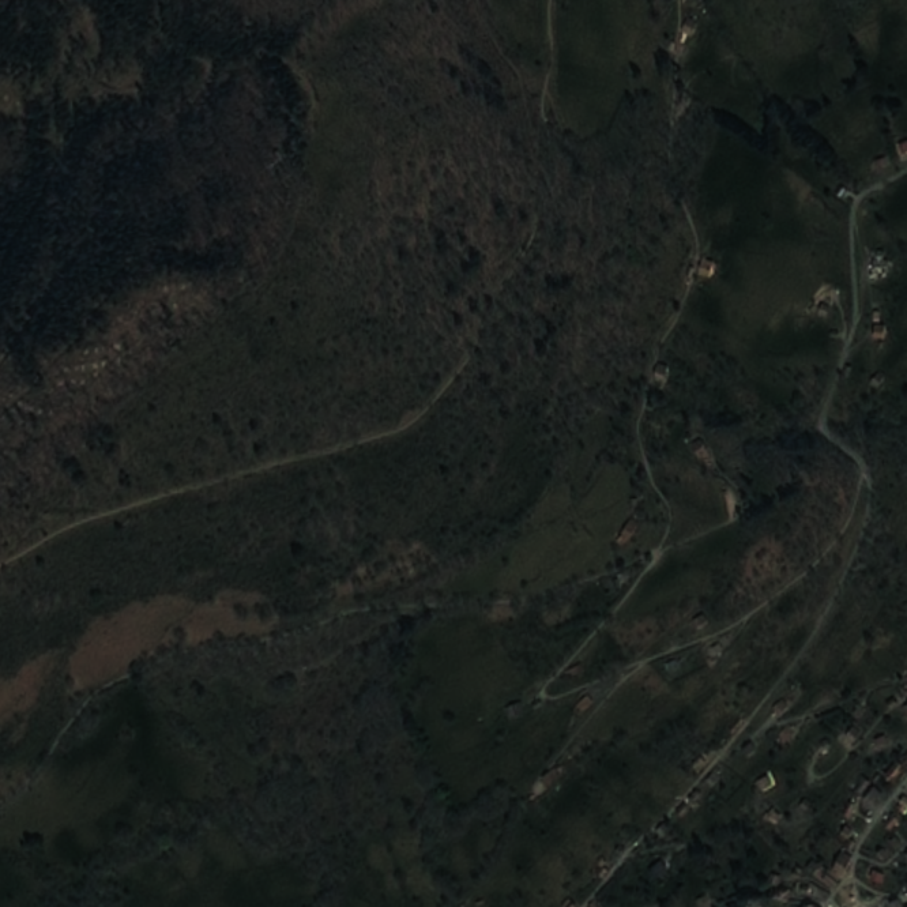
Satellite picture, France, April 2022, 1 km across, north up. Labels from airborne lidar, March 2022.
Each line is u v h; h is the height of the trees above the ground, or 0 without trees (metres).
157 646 0
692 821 0
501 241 9
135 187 24
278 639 16
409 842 0
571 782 0
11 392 0
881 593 12
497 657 0
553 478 16
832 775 0
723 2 0
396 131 0
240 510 13
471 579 0
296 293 6
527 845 0
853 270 0
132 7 21
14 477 22
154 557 0
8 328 22
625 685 0
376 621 9
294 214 17
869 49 0
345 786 15
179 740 7
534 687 0
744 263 0
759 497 15
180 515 0
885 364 0
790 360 0
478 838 0
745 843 17
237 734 0
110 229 22
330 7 19
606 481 0
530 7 0
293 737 14
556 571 0
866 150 0
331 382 12
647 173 17
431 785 24
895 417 14
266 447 16
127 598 0
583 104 0
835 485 8
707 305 0
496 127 10
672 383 8
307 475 10
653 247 16
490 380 18
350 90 0
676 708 0
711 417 18
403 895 0
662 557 0
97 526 0
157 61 21
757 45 0
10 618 0
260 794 14
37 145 20
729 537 0
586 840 0
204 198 17
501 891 0
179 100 18
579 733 0
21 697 0
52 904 14
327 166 0
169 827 9
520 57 9
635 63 0
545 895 8
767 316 0
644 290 11
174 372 0
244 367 0
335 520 18
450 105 11
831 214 0
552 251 10
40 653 0
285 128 22
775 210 0
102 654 0
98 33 23
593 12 0
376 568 10
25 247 20
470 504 0
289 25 21
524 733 0
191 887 0
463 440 13
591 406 14
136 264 23
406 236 11
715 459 0
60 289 29
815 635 0
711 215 0
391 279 12
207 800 9
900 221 0
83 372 0
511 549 0
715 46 0
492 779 0
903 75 0
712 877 13
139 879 0
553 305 7
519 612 12
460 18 15
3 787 0
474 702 0
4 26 28
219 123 17
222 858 0
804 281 0
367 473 0
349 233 9
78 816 0
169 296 0
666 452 11
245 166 21
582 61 0
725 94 0
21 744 0
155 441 0
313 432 7
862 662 0
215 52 22
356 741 13
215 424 12
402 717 23
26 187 21
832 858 0
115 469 12
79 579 0
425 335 10
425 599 16
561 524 0
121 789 0
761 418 7
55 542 0
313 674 8
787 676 0
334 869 13
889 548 23
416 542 8
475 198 9
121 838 19
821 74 0
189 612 0
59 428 21
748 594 11
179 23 23
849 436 22
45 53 23
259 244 17
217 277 20
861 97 0
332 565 10
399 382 0
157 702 7
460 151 14
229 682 0
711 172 0
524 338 24
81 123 23
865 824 0
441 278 14
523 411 12
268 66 15
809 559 12
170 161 16
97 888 19
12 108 0
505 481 0
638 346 18
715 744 8
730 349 0
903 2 0
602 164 12
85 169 25
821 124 0
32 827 0
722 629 0
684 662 0
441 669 0
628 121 16
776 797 0
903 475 8
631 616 0
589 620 15
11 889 0
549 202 22
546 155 18
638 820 0
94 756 0
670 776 0
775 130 29
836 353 0
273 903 0
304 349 0
